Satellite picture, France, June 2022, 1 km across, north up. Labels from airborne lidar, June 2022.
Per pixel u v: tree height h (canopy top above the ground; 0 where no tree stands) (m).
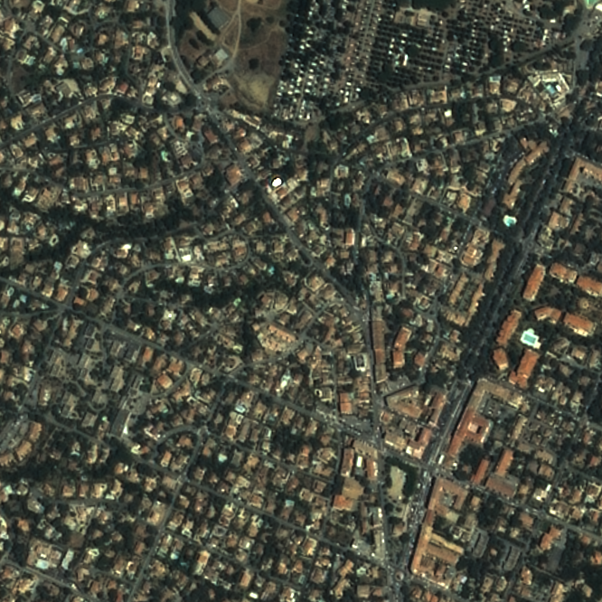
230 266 7
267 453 7
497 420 7
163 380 0
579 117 10
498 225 12
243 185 14
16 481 12
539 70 13
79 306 16
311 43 16
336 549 11
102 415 6
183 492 6
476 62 11
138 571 9
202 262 0
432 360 5
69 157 9
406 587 12
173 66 9
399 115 11
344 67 10
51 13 7
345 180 9
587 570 7
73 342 8
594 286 0
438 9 13
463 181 11
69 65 5
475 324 10
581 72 15
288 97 11
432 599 0
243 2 0
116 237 6
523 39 8
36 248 7
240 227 7
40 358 10
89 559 0
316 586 9
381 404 0
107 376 11
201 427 7
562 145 13
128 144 6
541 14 12
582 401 11
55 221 8
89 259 7
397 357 0
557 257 10
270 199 0
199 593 15
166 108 9
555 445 8
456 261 13
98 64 6
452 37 15
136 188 8
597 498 6
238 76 0
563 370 0
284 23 9
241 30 0
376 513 0
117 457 13
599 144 7
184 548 8
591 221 9
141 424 11
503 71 12
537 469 0
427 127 6
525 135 8
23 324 0
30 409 8
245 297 9
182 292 10
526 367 0
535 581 14
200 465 15
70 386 6
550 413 8
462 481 12
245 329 9
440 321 15
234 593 10
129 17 8
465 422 0
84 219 9
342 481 11
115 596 12
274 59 0
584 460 6
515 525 15
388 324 6
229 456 11
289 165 14
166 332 7
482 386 0
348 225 8
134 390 0
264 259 11
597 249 13
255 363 0
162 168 8
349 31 16
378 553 0
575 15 12
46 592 8
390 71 14
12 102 8
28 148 6
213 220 9
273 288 6
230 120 9
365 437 0
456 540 7
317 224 5
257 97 0
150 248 12
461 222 11
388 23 10
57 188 0
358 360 0
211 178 10
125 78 9
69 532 12
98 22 7
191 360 6
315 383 13
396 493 0
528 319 14
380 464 0
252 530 0
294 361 10
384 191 14
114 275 10
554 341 7
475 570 16
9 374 8
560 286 9
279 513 11
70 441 7
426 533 0
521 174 7
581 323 0
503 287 10
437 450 0
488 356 7
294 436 11
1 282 9
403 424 0
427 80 6
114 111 8
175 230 7
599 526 8
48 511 11
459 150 10
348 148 6
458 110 8
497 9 7
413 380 8
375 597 11
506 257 17
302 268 7
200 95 0
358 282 12
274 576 12
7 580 12
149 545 13
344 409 0
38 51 10
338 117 11
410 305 12
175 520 0
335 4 16
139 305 13
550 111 14
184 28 8
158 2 0
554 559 0
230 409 7
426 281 12
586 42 12
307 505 6
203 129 9
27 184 7
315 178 14
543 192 13
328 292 0
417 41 12
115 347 0
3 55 13
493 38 8
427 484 0
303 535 12
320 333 8
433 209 13
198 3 13
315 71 8
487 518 9
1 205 8
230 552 8
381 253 10
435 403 0
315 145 13
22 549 14
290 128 9
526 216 11
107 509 7
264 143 6
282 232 7
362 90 11
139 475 9
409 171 11
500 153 7
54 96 11
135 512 12
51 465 6
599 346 6
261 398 11
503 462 0
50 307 6
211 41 8
